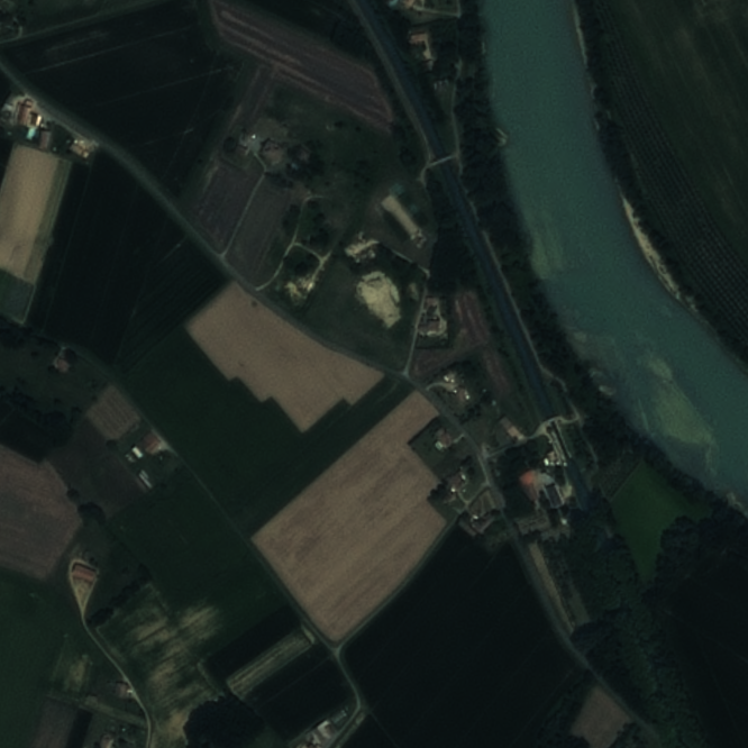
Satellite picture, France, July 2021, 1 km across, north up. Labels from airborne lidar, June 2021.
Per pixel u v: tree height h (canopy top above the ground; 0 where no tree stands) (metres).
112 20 0
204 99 0
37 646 0
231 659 0
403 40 17
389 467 0
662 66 0
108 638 0
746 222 0
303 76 0
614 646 17
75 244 0
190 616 0
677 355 0
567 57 0
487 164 33
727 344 16
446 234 15
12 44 0
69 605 0
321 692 0
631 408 0
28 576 0
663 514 0
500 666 0
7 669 0
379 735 0
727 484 0
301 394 0
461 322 0
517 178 0
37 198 0
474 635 0
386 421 0
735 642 0
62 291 0
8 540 0
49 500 0
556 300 0
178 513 0
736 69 0
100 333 0
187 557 0
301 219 0
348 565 0
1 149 0
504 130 0
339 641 0
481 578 0
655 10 0
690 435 0
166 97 0
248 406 0
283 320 0
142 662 0
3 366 0
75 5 0
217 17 0
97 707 0
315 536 0
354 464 0
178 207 0
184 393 0
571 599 9
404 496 0
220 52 0
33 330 15
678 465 0
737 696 0
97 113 0
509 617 0
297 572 0
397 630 0
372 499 0
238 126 0
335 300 0
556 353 10
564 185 0
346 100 0
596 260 0
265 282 0
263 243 0
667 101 0
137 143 0
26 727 0
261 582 0
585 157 0
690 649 0
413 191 0
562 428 0
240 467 0
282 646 0
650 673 30
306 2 0
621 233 0
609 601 29
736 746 0
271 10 0
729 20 0
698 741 30
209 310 0
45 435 0
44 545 0
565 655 0
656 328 0
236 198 0
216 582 0
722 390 0
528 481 0
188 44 0
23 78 0
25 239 0
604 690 0
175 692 0
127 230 0
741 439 0
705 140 0
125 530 0
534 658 0
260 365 0
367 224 0
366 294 0
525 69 0
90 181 0
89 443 0
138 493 0
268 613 0
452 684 0
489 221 31
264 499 0
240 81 0
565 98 0
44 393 0
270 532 0
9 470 0
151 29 0
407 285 0
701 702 0
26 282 0
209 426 0
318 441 0
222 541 0
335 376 0
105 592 0
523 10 0
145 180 0
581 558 11
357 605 0
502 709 0
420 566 0
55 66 0
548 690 0
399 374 0
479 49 24
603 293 0
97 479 0
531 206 0
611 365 0
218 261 0
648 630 30
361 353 0
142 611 0
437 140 0
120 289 0
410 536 0
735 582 0
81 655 0
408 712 0
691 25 0
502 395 0
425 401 0
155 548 0
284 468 0
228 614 0
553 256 0
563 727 20
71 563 0
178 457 0
